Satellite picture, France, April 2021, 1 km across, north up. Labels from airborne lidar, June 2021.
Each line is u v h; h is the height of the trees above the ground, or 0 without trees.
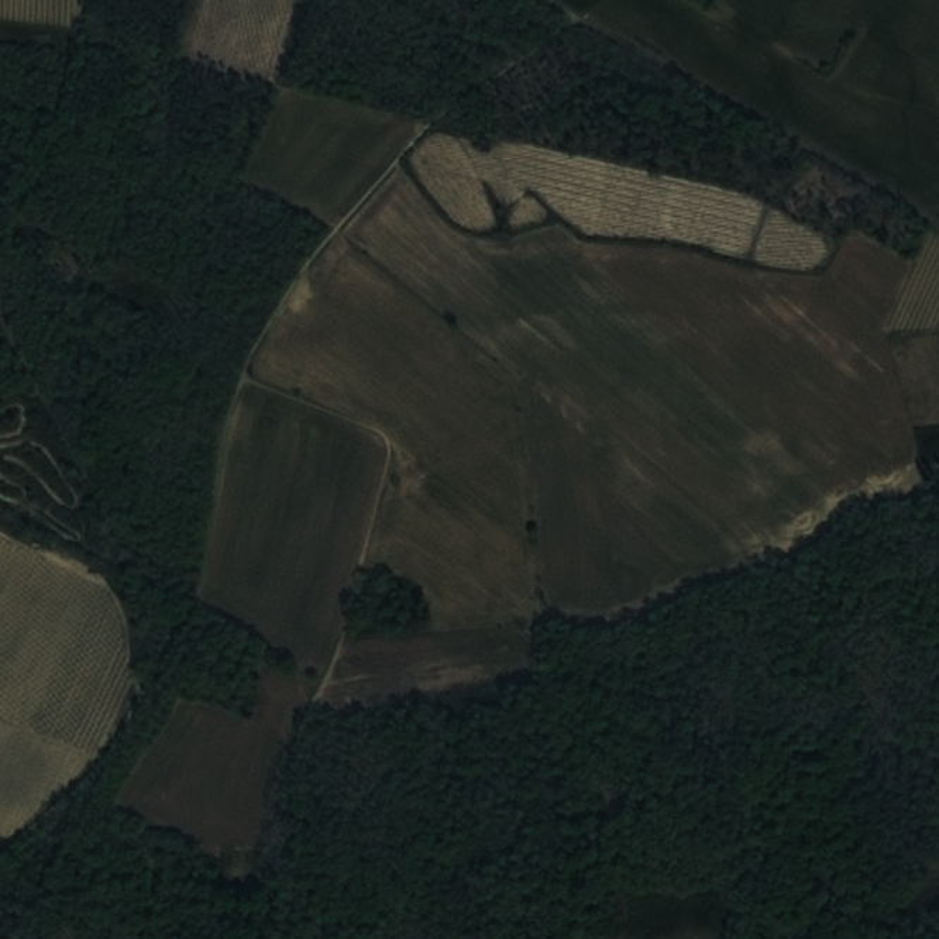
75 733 0
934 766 24
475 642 0
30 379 18
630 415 0
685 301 0
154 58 18
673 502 0
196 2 22
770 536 0
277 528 0
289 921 18
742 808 13
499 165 0
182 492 23
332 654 0
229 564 0
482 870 9
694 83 19
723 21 0
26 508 0
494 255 0
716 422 0
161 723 14
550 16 18
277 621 0
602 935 8
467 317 0
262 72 0
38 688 0
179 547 27
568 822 23
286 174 0
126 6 25
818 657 18
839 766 21
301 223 17
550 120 17
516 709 24
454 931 15
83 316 17
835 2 0
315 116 0
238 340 20
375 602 28
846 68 0
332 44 14
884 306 0
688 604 19
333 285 0
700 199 0
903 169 0
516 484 0
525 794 20
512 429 0
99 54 25
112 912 25
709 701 23
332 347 0
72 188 18
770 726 25
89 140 24
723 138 27
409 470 0
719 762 27
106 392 24
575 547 0
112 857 18
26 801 0
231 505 0
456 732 21
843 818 26
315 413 0
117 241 22
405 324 0
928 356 0
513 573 0
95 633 0
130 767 16
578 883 13
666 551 0
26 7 0
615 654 20
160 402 19
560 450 0
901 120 0
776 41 0
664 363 0
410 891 25
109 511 22
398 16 19
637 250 0
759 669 22
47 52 11
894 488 0
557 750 20
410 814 19
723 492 0
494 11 14
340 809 17
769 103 0
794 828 23
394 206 0
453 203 0
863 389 0
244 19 0
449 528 0
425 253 0
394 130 0
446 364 0
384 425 0
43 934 19
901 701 20
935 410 0
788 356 0
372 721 19
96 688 0
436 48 20
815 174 0
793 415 0
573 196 0
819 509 0
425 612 23
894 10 0
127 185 23
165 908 18
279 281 20
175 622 16
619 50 18
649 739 25
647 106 28
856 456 0
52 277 22
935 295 0
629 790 13
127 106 25
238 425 0
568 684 29
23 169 27
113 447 23
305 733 21
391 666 0
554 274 0
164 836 16
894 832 27
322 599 0
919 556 23
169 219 25
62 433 18
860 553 25
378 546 0
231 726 0
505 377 0
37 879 14
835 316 0
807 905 31
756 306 0
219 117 25
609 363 0
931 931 22
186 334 25
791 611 24
